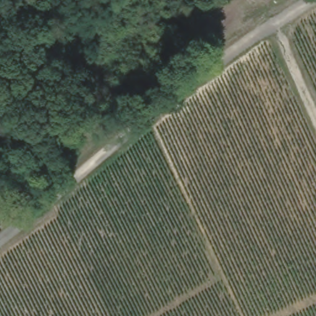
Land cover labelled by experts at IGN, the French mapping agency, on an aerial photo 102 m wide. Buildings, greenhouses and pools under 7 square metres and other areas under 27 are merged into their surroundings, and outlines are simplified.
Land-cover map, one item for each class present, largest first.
<instances>
[{"label":"vineyard","instance_id":"1","mask_svg":"<svg viewBox=\"0 0 316 316\"><path fill-rule=\"evenodd\" d=\"M291 53L316 106V11L310 15V19L300 21L299 26L295 28L293 39L289 42ZM278 36L276 33H270L269 36L260 38L238 52L232 59L222 58L225 67L223 72L199 86L195 93L186 96L183 109L160 116L153 123L152 132L139 138L128 151H117L102 160L85 177L77 179L74 189L64 195L63 206H60L56 220L51 221L42 231H38L0 259V316H316V130L300 98L288 65L281 56Z\"/></svg>","mask_w":316,"mask_h":316},{"label":"deciduous trees","instance_id":"2","mask_svg":"<svg viewBox=\"0 0 316 316\"><path fill-rule=\"evenodd\" d=\"M232 0H0V232L5 228L32 230L33 222L52 210L57 201V194L64 195L74 189L77 179L74 173L77 168V154L84 144H98L101 149L106 144H117V151H128L139 138L152 132L153 123L160 116L183 109L186 96L195 93L199 86L223 72L225 67L222 58L225 48L222 20L225 19V14L222 9Z\"/></svg>","mask_w":316,"mask_h":316},{"label":"herbaceous vegetation","instance_id":"3","mask_svg":"<svg viewBox=\"0 0 316 316\"><path fill-rule=\"evenodd\" d=\"M300 0H232L222 9L225 14V19L222 20L225 48L232 46L254 28L280 15ZM309 2V9L284 23L281 26L283 33L289 42L293 39L295 28L299 26L300 21L310 19V15L316 11V0H304ZM101 149L98 144H84L77 154V168L88 162ZM57 201L52 210L33 222L32 230L5 228L0 232V259L38 231H42L51 221L56 220L60 206H63L64 195L57 194Z\"/></svg>","mask_w":316,"mask_h":316},{"label":"impervious surface","instance_id":"4","mask_svg":"<svg viewBox=\"0 0 316 316\"><path fill-rule=\"evenodd\" d=\"M309 2L304 0H300L280 15L254 28L232 46L225 48L222 58L232 59L238 52L260 38L269 36L270 33H276L278 36L283 33L281 26L284 23L309 9ZM117 144H106L88 162L77 168L74 173L77 179L85 177L102 160L117 151Z\"/></svg>","mask_w":316,"mask_h":316},{"label":"pervious surface","instance_id":"5","mask_svg":"<svg viewBox=\"0 0 316 316\"><path fill-rule=\"evenodd\" d=\"M281 56L288 65L300 98L316 130V106L291 53L289 42L283 33L278 36Z\"/></svg>","mask_w":316,"mask_h":316}]
</instances>
